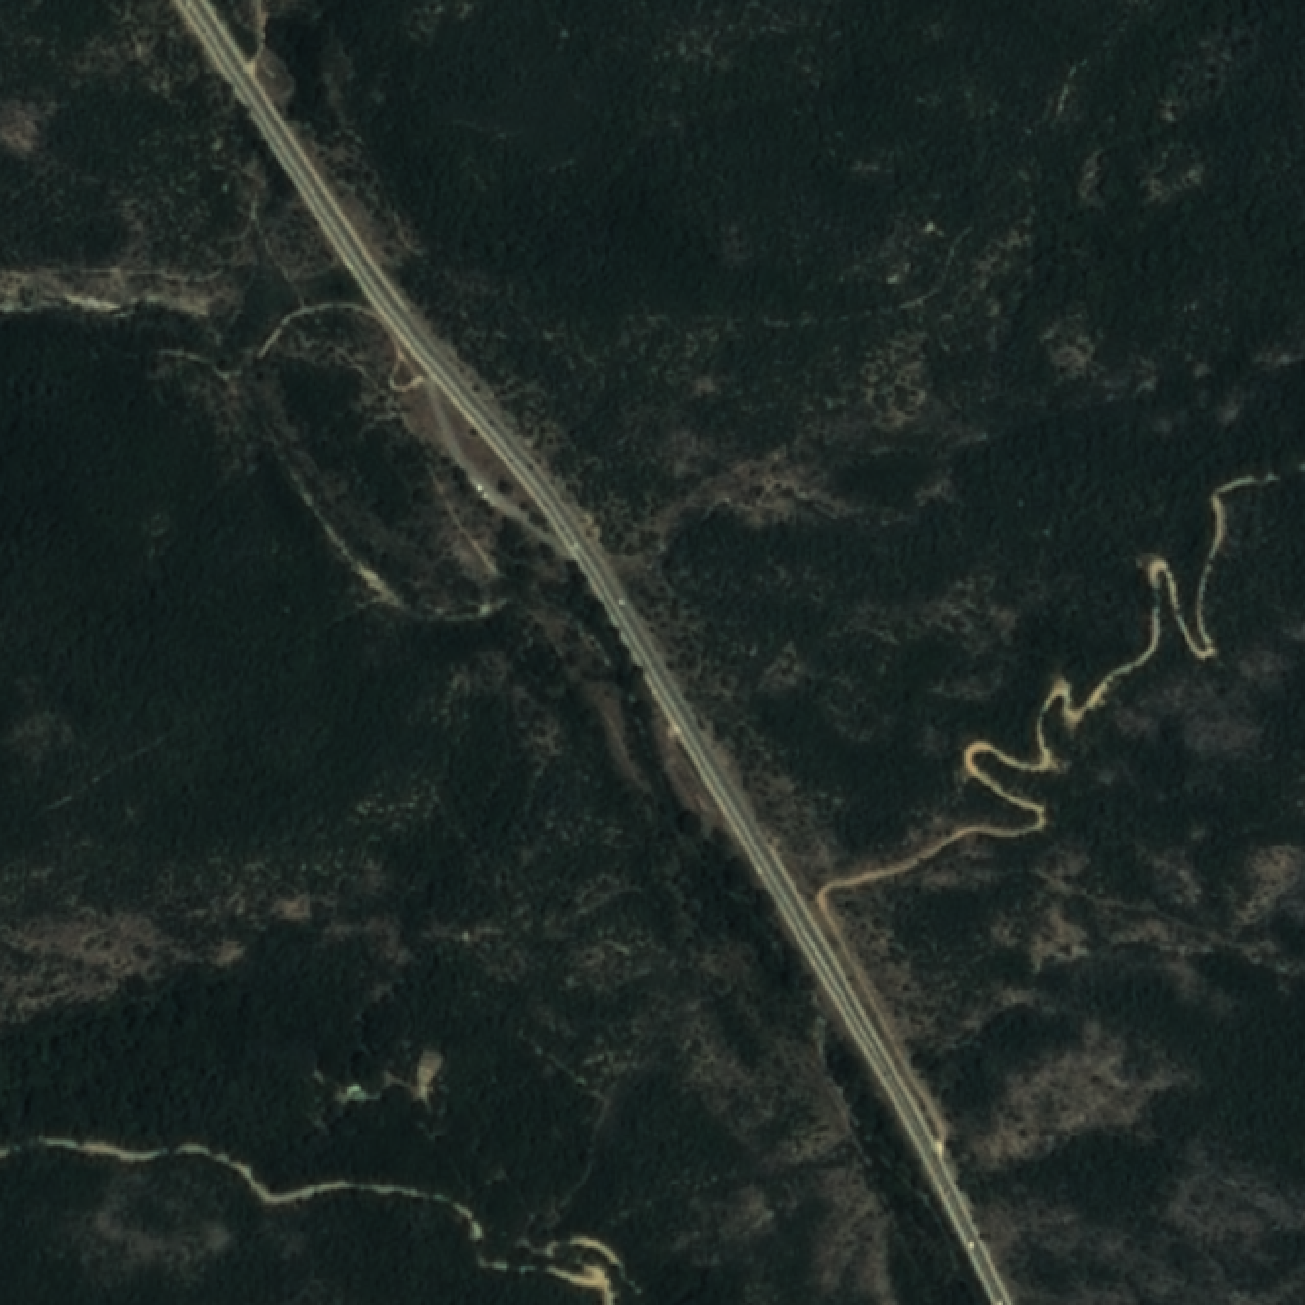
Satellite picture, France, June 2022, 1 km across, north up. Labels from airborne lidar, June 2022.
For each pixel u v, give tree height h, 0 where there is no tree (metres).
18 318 9
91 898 9
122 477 7
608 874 8
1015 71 6
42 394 19
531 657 9
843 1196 0
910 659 8
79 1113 16
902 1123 0
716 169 7
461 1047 12
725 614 7
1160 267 6
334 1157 10
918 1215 11
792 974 16
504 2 6
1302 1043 9
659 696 0
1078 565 8
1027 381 8
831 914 0
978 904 8
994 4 9
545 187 6
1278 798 9
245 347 7
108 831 9
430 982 11
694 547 5
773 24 8
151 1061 14
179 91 7
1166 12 7
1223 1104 9
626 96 7
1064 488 9
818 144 6
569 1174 11
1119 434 7
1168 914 7
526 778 11
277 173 9
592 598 7
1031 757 8
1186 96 10
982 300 7
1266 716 8
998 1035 9
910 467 5
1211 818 6
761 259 7
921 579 9
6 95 7
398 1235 6
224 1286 10
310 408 6
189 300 0
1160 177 8
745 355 8
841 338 6
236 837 8
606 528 7
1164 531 10
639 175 11
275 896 10
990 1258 0
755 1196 0
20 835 8
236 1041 8
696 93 9
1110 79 7
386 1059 7
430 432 0
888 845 9
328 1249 9
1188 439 6
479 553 0
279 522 7
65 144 8
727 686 10
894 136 6
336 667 10
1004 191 8
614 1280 7
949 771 7
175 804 6
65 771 7
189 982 12
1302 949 6
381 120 7
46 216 8
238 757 8
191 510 8
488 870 9
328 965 8
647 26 6
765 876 0
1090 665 9
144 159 6
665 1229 6
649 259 8
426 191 6
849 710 7
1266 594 7
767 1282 7
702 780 0
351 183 6
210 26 0
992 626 8
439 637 9
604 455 10
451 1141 13
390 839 7
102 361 11
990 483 8
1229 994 7
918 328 9
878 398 9
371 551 9
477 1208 10
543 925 7
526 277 7
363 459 5
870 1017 0
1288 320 7
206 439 7
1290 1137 6
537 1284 11
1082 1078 0
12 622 10
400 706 9
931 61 6
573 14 6
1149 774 5
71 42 6
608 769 8
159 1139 12
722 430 6
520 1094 9
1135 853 9
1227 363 8
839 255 9
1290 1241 6
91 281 0
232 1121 10
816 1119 7
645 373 8
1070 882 10
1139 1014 10
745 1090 0
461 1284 8
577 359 9
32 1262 9
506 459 0
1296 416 7
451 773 9
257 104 0
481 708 8
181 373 5
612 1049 9
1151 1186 6
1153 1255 6
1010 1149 0
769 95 10
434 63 8
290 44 10
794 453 7
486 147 7
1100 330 8
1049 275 11
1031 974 7
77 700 10
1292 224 8
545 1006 7
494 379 7
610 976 6
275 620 7
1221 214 12
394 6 8
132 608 6
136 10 8
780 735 7
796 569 7
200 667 7
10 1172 6
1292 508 7
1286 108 8
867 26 8
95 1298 6
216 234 6
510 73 9
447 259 6
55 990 10
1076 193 8
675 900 7
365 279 0
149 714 11
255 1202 6
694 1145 6
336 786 8
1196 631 5
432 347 0
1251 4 12
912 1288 8
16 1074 14
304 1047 10
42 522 15
